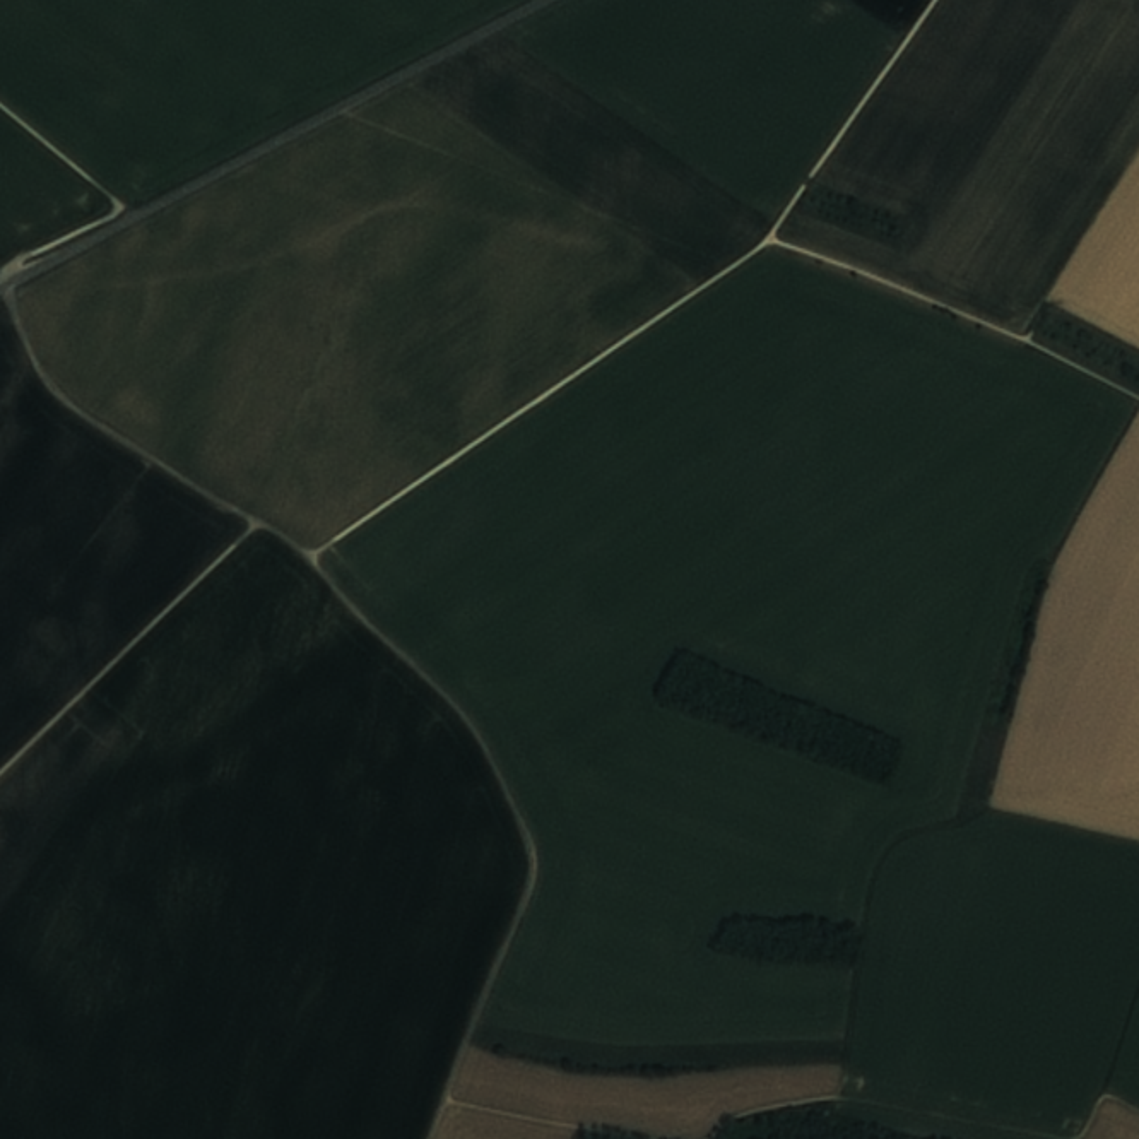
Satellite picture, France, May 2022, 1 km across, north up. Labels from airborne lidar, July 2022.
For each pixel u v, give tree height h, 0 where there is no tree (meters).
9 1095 0
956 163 0
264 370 0
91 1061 0
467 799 0
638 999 0
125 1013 0
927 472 0
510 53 0
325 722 0
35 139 0
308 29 0
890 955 0
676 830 0
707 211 0
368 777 0
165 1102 0
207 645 0
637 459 0
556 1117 0
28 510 0
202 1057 0
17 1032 0
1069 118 0
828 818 0
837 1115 0
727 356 0
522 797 0
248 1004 0
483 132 0
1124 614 0
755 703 18
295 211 0
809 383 0
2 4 0
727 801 0
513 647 0
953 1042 0
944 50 0
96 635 0
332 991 0
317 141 0
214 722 0
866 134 0
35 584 0
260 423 0
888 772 14
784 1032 0
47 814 0
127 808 0
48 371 0
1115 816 0
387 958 0
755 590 0
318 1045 0
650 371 0
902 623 0
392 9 0
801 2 0
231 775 0
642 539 0
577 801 0
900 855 0
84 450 0
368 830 0
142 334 0
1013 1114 0
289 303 0
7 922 0
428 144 0
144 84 0
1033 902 0
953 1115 0
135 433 0
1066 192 0
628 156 0
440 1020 0
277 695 0
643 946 0
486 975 0
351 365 0
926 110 0
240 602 0
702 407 0
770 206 0
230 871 0
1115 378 0
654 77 0
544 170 0
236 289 0
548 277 0
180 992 0
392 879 0
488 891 0
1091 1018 0
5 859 0
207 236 0
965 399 0
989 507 0
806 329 0
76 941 0
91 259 0
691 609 0
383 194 0
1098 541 0
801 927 13
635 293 0
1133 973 0
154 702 0
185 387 0
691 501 0
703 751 0
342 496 0
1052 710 0
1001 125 0
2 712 0
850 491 0
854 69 0
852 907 0
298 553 0
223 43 0
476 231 0
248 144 0
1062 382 0
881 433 0
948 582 0
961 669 0
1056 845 0
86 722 0
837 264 0
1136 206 0
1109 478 0
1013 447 0
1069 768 0
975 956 0
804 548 0
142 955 0
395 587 0
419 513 0
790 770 0
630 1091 0
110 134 0
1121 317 0
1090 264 0
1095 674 0
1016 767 0
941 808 0
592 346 0
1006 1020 0
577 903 0
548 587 0
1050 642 0
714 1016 0
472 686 0
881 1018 0
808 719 18
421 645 0
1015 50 0
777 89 0
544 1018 0
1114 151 0
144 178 0
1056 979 0
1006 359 0
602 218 0
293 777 0
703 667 17
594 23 0
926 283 0
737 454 0
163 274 0
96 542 0
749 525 0
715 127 0
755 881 0
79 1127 0
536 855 0
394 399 0
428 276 0
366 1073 0
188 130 0
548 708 0
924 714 0
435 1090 0
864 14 0
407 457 0
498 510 0
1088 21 0
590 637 0
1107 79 0
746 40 0
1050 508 0
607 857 0
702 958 0
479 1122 0
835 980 0
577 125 0
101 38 0
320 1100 0
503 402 0
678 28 0
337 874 0
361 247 0
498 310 0
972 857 0
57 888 0
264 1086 0
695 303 0
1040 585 8
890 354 0
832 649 0
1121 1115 0
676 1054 0
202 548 0
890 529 0
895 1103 0
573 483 0
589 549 0
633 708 0
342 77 0
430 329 0
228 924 0
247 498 0
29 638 0
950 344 0
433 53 0
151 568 0
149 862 0
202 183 0
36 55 0
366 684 0
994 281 0
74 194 0
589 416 0
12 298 0
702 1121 0
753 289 0
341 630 0
